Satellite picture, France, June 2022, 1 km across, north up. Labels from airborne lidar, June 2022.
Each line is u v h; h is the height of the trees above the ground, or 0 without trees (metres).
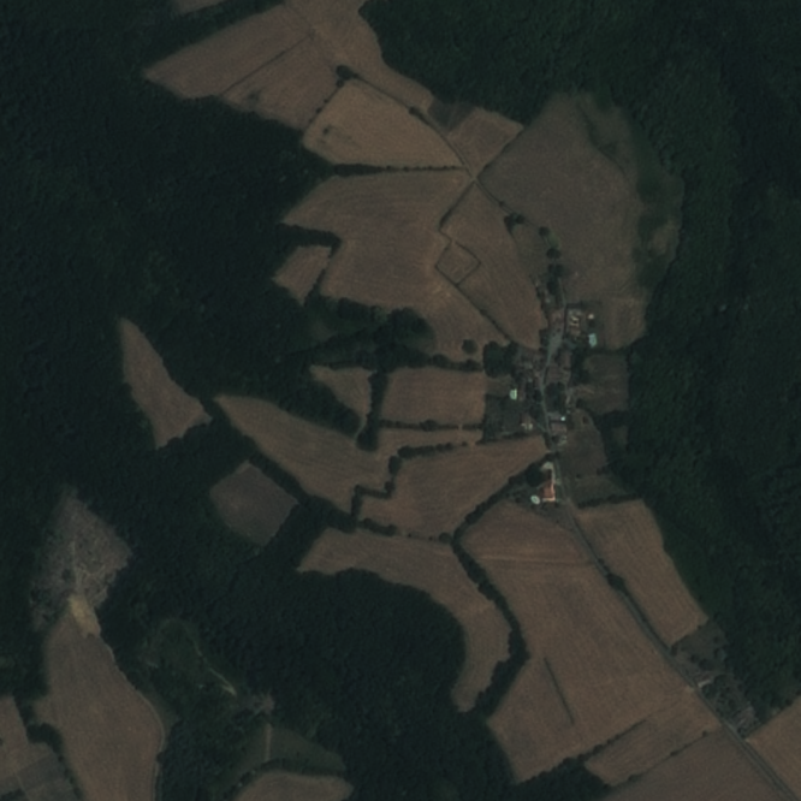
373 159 0
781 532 21
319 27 0
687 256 21
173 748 17
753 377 18
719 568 15
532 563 0
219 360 26
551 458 10
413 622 28
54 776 0
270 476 12
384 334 16
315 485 0
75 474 36
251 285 21
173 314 19
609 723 0
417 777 23
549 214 0
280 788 0
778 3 14
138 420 23
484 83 15
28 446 33
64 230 15
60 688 0
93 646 0
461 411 0
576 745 0
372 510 0
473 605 0
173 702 11
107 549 0
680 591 0
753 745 0
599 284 0
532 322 0
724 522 23
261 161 24
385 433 0
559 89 11
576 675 0
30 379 35
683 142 22
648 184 0
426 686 25
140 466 22
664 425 17
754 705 12
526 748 0
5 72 22
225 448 19
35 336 34
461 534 10
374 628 19
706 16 13
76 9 17
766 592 22
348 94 0
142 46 20
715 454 20
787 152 16
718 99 26
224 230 22
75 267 26
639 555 0
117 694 0
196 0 0
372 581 19
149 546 32
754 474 21
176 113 19
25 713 17
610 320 0
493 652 0
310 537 17
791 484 22
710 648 0
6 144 28
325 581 10
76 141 27
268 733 0
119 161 28
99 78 25
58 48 31
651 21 18
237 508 0
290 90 0
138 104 22
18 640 26
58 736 10
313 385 8
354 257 0
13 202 26
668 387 15
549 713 0
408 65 11
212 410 16
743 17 13
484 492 0
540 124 0
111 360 19
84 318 27
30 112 22
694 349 30
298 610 24
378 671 31
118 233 23
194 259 30
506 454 0
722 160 15
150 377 0
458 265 0
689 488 20
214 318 32
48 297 35
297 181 19
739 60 19
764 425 20
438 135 0
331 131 0
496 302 0
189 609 33
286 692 29
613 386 0
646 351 24
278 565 13
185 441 12
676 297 20
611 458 14
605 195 0
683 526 14
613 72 14
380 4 13
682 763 0
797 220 17
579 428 0
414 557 0
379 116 0
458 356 0
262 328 25
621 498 10
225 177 27
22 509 25
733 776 0
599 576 0
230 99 0
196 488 20
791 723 0
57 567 0
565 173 0
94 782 0
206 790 21
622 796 0
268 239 22
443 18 17
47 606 13
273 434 0
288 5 0
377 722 29
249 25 0
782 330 17
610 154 0
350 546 0
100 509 35
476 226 0
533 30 17
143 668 19
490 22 17
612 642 0
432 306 0
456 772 24
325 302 10
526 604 0
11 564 27
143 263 28
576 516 0
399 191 0
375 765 21
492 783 16
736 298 20
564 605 0
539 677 0
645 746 0
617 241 0
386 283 0
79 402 27
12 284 27
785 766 0
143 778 0
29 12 15
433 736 26
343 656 25
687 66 21
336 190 0
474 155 0
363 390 0
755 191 28
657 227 0
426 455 8
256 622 22
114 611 28
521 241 0
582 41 15
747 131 27
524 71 15
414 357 21
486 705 14
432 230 0
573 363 9
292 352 15
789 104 6
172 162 31
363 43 0
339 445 0
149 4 17
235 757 16
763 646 20
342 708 30
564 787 21
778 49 6
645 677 0
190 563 23
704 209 20
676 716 0
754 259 20
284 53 0
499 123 0
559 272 15
